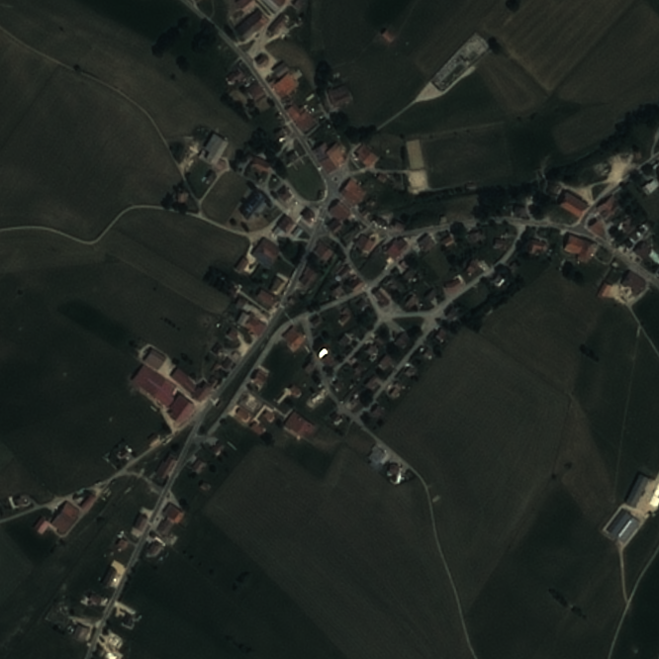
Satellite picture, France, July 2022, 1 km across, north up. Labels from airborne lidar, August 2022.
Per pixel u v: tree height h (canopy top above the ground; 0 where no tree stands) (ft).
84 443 0
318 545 0
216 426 0
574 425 0
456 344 0
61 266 0
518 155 0
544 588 0
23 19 0
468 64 0
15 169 0
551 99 0
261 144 40
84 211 0
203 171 0
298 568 0
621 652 0
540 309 0
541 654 0
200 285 0
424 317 0
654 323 0
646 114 59
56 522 0
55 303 0
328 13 0
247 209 0
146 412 0
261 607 0
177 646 0
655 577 0
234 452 0
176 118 0
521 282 30
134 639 0
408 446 0
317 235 0
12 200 0
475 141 0
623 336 0
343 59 0
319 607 0
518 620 0
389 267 0
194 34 0
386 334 62
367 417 51
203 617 0
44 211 0
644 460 0
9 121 0
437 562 0
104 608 0
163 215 0
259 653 0
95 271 0
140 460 0
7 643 0
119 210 0
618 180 0
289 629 0
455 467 0
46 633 0
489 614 0
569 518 0
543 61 0
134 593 0
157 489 0
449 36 0
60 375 0
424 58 0
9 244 0
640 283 0
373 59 0
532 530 0
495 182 0
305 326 0
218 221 0
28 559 0
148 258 0
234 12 0
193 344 0
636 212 24
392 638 0
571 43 0
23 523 0
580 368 0
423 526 0
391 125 0
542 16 0
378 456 0
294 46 0
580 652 0
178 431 0
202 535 0
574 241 0
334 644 0
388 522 0
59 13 0
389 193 0
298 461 0
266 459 0
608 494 0
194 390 0
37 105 0
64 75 0
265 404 0
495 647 0
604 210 0
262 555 0
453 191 24
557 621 0
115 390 0
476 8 0
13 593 0
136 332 0
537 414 0
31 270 0
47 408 0
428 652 0
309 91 0
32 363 0
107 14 0
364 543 0
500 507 0
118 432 0
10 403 0
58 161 0
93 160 0
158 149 0
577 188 0
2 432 0
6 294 0
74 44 0
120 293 0
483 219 61
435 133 0
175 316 0
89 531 0
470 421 0
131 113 0
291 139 0
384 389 0
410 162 0
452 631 0
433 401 0
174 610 0
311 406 0
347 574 0
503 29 0
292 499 0
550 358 0
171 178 0
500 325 0
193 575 0
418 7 0
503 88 0
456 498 0
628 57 0
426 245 0
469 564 0
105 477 0
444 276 0
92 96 0
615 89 0
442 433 0
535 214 56
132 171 0
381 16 0
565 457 0
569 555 0
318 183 0
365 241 0
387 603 0
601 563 0
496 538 0
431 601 0
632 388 0
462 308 36
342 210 0
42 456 0
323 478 0
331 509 0
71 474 0
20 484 0
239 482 0
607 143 51
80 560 0
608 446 0
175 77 20
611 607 0
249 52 0
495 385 0
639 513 0
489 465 0
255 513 0
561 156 0
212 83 0
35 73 0
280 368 0
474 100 0
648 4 0
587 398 0
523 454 0
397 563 0
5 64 0
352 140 68
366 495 0
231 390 0
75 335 0
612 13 0
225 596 0
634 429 0
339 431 22
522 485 0
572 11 0
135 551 0
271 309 0
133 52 0
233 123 0
